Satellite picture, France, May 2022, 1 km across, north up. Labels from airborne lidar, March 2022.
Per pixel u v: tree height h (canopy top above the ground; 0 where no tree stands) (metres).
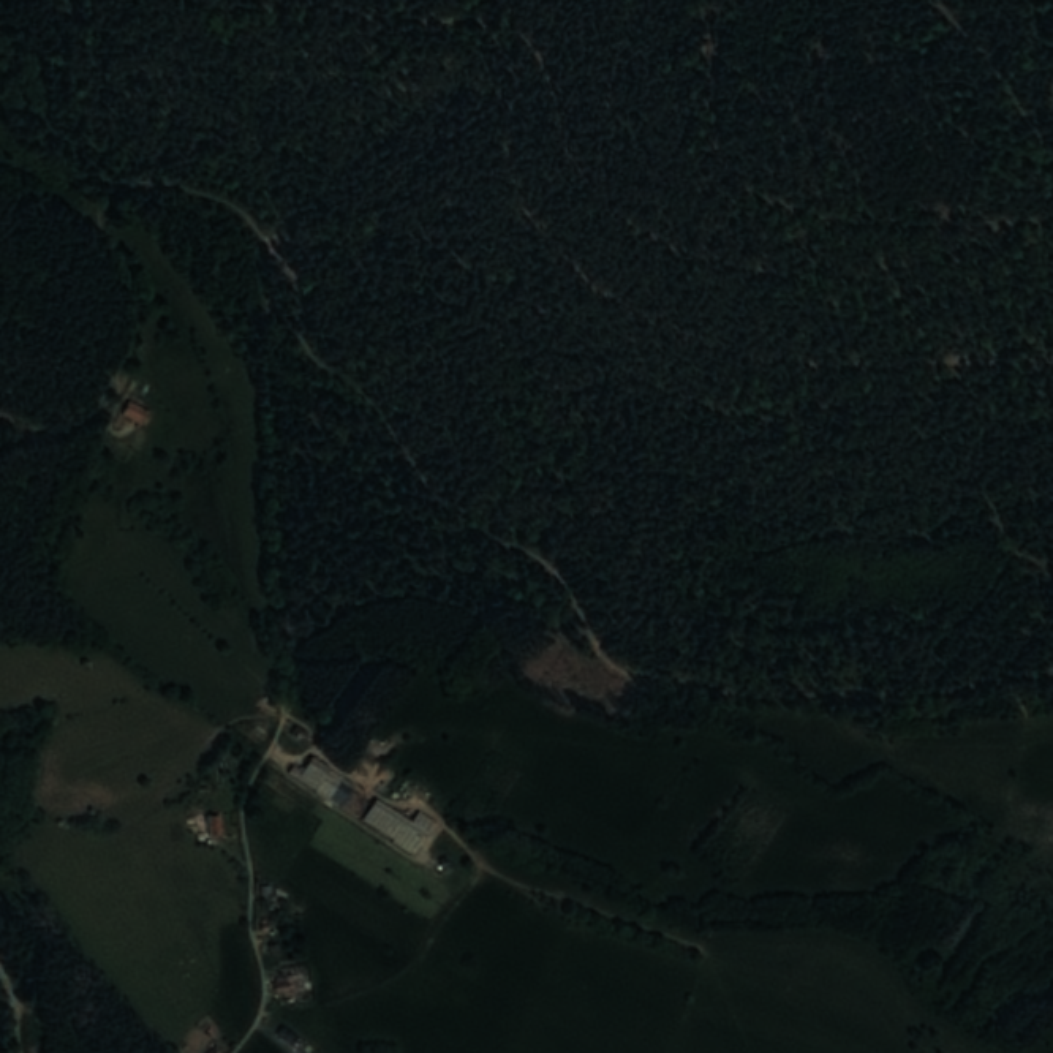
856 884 0
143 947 0
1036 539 13
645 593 32
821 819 0
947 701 25
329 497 28
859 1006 0
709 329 26
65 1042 9
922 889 12
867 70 25
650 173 24
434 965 0
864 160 28
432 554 34
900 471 19
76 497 18
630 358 27
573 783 0
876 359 22
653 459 29
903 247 23
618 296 17
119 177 26
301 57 25
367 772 0
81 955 16
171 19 27
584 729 0
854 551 14
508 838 35
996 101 25
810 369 21
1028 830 0
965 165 22
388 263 30
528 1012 0
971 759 0
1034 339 22
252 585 0
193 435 0
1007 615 18
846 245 22
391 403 24
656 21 28
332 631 18
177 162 25
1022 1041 22
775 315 21
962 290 28
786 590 15
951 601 15
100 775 0
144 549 0
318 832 0
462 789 0
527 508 30
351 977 0
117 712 0
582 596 32
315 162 29
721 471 20
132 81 27
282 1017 0
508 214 24
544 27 20
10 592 33
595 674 0
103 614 0
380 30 27
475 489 33
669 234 24
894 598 11
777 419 28
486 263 25
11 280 21
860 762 0
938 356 22
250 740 0
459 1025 0
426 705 0
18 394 26
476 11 26
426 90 22
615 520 32
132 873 0
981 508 9
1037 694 22
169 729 0
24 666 0
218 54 27
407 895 0
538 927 0
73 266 24
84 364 22
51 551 23
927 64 28
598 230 22
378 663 28
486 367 20
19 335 27
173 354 0
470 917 0
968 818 19
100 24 26
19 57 20
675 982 0
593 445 33
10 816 22
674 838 0
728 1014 0
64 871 0
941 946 10
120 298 18
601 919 11
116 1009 36
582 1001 0
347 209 25
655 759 0
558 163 27
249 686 0
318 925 0
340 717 32
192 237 17
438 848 0
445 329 25
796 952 0
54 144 26
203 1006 0
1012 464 23
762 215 24
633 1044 0
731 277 21
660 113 26
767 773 0
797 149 21
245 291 9
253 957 0
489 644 32
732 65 10
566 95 28
